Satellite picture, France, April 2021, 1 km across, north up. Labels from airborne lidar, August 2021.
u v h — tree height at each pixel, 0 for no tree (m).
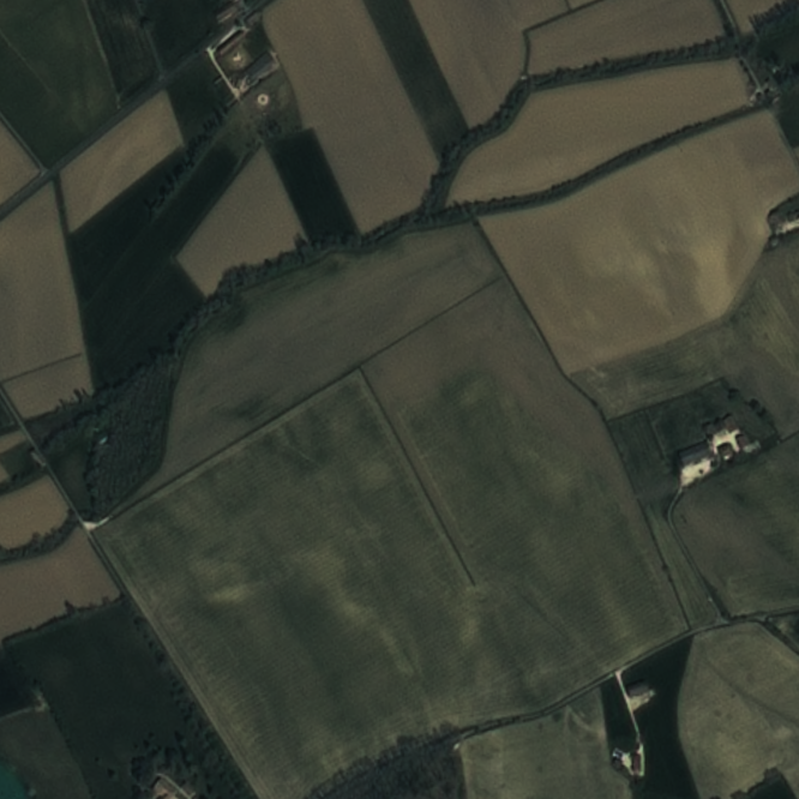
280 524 0
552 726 0
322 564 0
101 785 0
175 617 0
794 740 0
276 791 0
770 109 20
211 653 0
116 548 0
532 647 0
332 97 0
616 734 0
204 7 0
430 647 0
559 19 0
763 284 0
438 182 15
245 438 0
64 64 0
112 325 0
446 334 0
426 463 0
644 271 0
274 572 0
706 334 0
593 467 0
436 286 0
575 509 0
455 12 0
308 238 0
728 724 0
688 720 0
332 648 0
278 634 0
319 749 0
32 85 0
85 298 0
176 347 18
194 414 0
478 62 0
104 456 12
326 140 0
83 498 0
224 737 0
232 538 0
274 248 0
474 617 0
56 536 13
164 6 0
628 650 0
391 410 0
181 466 0
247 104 0
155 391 11
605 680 0
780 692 0
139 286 0
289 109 0
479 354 0
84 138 0
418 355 0
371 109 0
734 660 0
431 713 0
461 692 0
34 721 0
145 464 19
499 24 0
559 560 0
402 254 0
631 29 0
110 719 0
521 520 0
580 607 0
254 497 0
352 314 0
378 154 0
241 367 0
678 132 8
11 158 0
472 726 0
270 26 0
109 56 0
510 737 0
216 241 0
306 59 0
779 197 0
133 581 0
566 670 0
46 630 6
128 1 0
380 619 0
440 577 0
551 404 0
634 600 0
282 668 0
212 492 0
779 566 0
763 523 0
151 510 0
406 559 0
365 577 0
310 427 0
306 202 0
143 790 7
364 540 0
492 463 0
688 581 0
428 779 13
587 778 0
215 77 0
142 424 13
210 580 0
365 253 0
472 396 0
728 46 14
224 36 0
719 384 0
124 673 0
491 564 0
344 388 0
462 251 0
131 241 0
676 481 0
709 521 0
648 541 0
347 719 0
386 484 0
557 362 0
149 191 0
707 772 0
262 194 0
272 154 0
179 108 0
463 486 0
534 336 0
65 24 0
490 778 0
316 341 0
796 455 0
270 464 0
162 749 6
